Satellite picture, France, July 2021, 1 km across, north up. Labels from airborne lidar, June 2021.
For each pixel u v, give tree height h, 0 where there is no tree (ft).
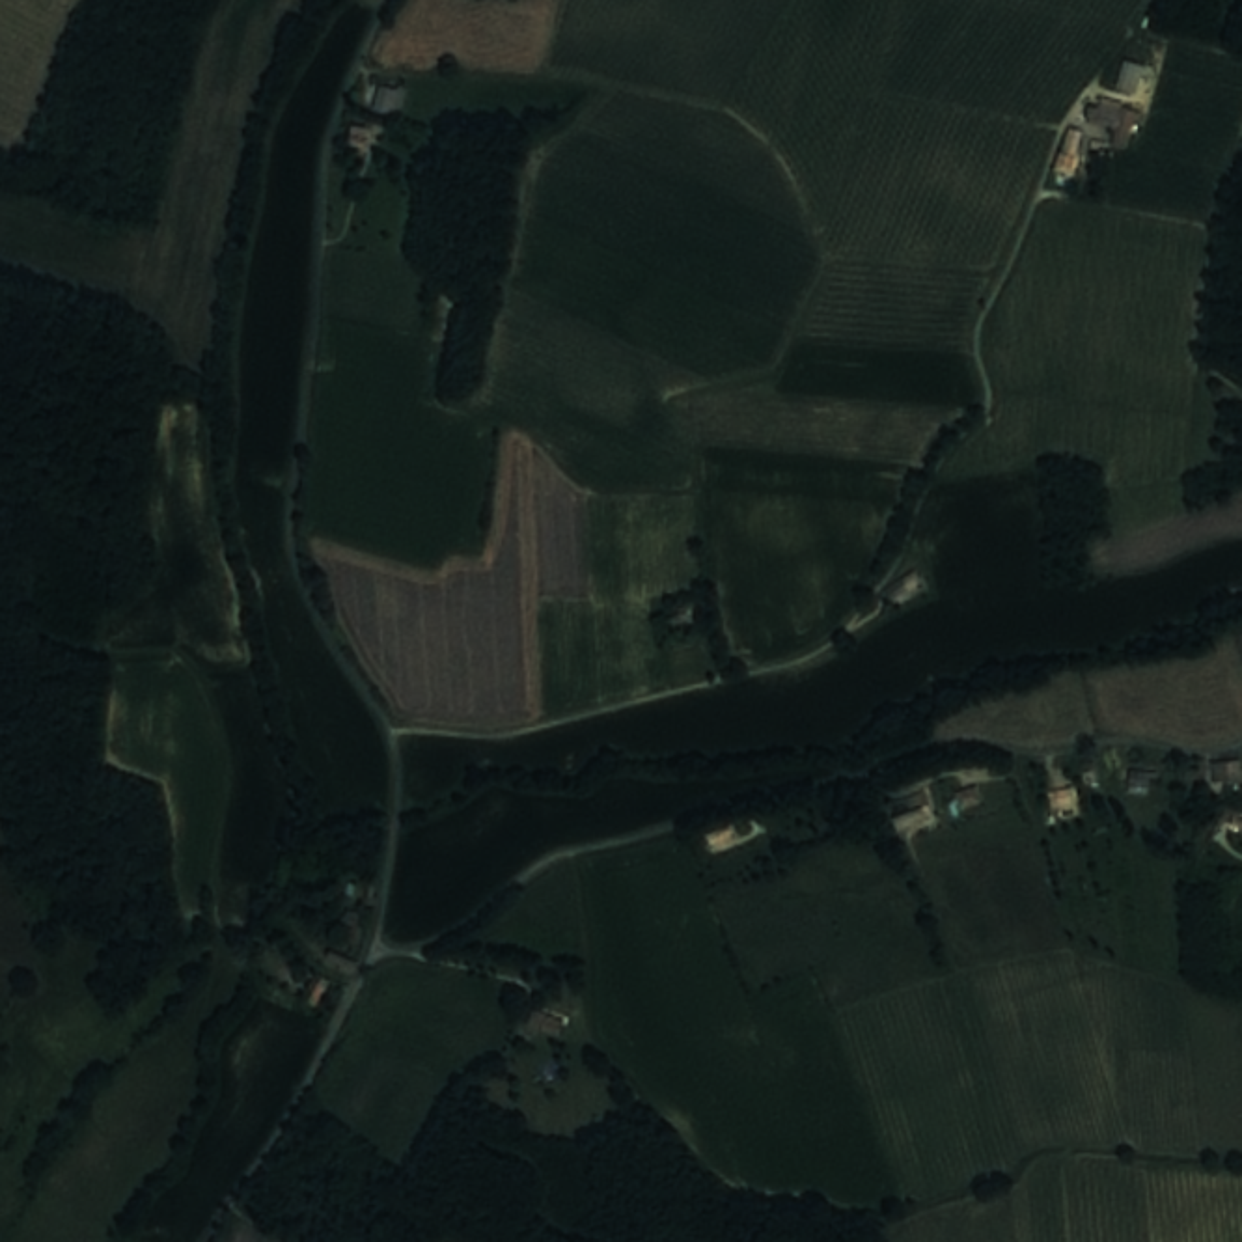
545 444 0
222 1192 0
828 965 0
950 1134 0
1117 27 0
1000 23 0
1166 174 0
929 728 57
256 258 0
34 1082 0
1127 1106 0
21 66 0
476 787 46
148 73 86
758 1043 0
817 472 0
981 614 0
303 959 64
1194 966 30
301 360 0
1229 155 0
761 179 0
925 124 0
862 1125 0
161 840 63
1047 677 61
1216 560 0
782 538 0
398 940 0
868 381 0
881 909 0
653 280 0
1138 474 0
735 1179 0
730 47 0
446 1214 52
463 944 45
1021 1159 0
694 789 0
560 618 0
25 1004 0
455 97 0
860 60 0
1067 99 0
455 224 68
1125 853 0
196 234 0
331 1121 56
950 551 0
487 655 0
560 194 0
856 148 0
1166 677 0
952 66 0
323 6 53
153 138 29
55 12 0
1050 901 0
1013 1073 0
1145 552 0
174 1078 0
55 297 94
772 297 0
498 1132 41
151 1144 0
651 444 0
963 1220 0
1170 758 19
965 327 0
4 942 0
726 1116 0
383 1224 69
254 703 0
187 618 0
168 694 0
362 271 0
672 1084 0
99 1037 0
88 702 54
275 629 0
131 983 53
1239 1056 0
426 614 0
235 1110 0
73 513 50
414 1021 0
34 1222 0
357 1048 0
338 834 64
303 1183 21
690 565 0
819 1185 0
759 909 0
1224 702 0
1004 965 0
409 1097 0
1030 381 0
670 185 0
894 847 66
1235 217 63
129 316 89
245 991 42
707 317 0
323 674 0
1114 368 0
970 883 0
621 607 0
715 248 0
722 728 0
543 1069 0
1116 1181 0
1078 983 0
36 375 65
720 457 0
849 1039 0
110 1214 0
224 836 0
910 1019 0
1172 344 0
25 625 101
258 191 27
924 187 0
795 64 0
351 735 0
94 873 72
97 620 46
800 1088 0
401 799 0
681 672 0
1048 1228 0
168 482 0
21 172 67
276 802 0
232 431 38
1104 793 0
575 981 36
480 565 0
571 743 0
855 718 0
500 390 0
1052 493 32
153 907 92
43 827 66
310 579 50
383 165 68
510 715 0
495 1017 0
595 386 0
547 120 34
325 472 0
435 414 0
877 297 0
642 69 0
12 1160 0
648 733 0
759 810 56
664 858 0
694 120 0
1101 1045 0
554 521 0
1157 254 0
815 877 0
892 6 0
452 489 0
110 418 56
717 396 0
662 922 0
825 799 51
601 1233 56
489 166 66
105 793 72
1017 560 0
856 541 0
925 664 0
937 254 0
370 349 0
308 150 0
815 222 0
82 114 56
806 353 0
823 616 0
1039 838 0
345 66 0
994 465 0
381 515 0
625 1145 69
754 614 0
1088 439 0
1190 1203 0
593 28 0
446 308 0
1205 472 41
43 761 70
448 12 0
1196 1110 0
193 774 0
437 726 0
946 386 0
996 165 0
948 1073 0
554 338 0
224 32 0
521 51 0
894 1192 0
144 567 64
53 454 79
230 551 22
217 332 26
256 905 57
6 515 79
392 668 0
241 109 0
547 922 0
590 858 0
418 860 0
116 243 0
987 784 0
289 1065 0
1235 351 50
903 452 0
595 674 0
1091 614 0
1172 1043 0
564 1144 30
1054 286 0
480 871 0
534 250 0
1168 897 0
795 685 0
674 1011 0
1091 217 0
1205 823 34
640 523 0
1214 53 0
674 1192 69
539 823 0
